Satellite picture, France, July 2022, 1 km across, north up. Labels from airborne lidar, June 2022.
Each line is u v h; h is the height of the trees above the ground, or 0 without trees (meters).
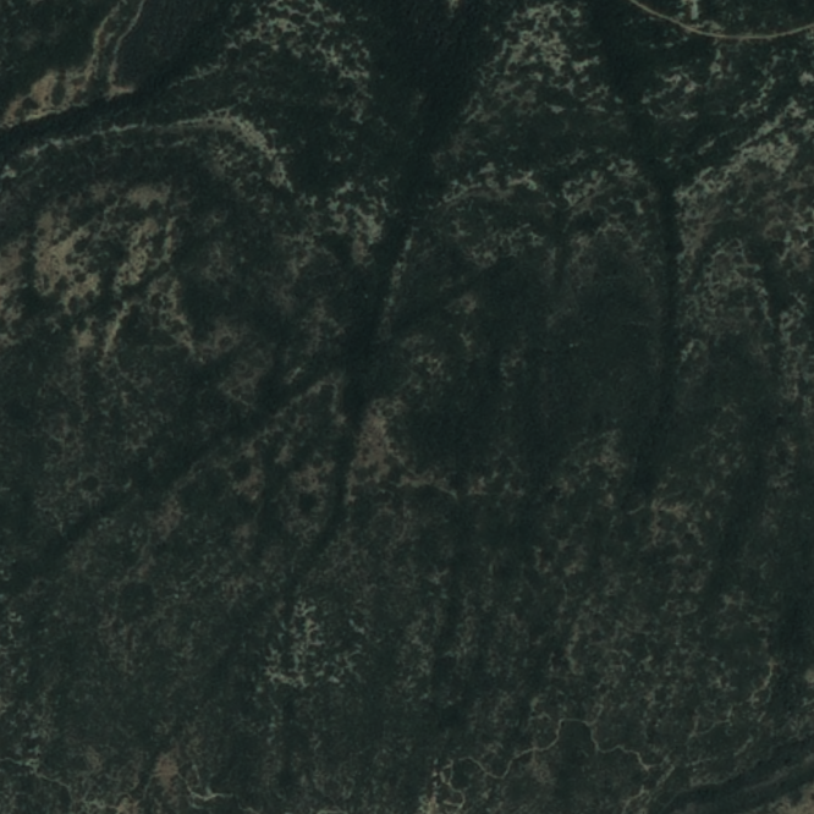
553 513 0
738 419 0
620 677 0
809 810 0
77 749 0
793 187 0
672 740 0
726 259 0
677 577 0
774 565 0
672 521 0
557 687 0
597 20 6
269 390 6
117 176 5
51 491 0
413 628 0
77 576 0
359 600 0
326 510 0
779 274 0
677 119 0
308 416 0
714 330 0
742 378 0
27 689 0
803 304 0
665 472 0
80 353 0
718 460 0
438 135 7
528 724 0
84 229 0
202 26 6
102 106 7
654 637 0
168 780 0
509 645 0
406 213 7
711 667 0
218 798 0
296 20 6
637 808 0
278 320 6
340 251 6
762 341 0
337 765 0
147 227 0
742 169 0
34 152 0
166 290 0
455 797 0
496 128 0
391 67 6
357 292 9
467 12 6
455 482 7
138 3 0
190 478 0
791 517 0
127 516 0
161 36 6
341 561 0
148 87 7
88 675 0
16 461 0
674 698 0
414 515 0
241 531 0
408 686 0
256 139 0
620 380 0
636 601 0
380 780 0
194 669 0
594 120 0
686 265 0
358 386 6
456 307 0
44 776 0
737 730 0
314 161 5
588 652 0
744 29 0
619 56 6
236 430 7
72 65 0
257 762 0
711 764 0
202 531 0
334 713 0
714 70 0
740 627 0
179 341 0
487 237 0
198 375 5
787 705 7
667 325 6
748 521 0
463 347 0
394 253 6
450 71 9
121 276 0
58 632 0
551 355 6
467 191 0
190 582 0
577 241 0
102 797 0
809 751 0
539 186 0
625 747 0
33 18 6
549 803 0
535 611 0
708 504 0
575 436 0
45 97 0
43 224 0
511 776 0
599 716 0
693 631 0
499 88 0
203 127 0
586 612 0
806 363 0
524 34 0
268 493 6
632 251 0
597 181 0
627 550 0
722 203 0
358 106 0
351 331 8
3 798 0
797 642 7
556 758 0
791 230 0
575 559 0
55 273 0
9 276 0
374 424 0
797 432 0
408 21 6
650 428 6
